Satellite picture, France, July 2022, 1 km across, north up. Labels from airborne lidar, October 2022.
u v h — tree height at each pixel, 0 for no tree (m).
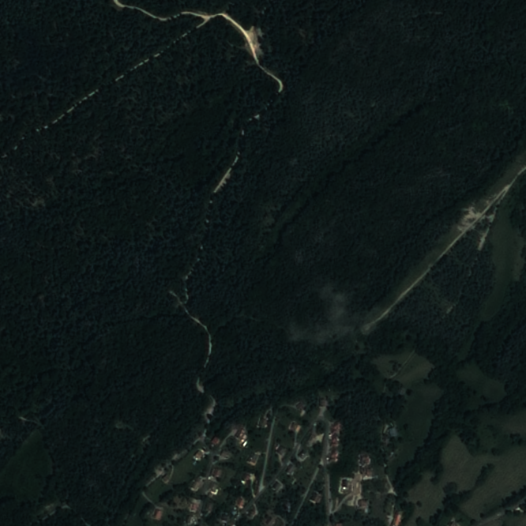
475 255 12
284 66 26
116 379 14
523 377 17
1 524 14
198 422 11
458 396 15
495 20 9
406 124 21
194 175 10
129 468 15
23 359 15
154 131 18
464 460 0
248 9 11
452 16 8
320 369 6
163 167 22
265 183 19
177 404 16
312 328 10
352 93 16
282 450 0
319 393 8
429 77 16
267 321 17
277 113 11
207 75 10
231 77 19
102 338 15
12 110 21
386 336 20
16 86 19
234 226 14
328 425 0
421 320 12
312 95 14
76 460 12
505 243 0
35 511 15
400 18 7
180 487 8
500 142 13
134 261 36
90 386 21
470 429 8
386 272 12
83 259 21
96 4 15
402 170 16
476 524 11
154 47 19
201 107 5
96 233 20
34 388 21
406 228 13
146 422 9
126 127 14
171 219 25
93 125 16
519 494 19
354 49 11
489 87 7
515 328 9
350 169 12
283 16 13
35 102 26
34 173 20
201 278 29
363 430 14
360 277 8
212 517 14
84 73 22
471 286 18
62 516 15
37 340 7
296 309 9
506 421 0
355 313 14
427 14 10
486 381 0
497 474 0
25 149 19
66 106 7
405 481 15
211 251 23
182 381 11
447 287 13
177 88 24
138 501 9
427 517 0
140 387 20
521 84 18
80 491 12
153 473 6
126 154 17
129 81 11
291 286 10
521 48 11
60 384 22
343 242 10
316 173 14
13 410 24
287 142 7
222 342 10
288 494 9
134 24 17
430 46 11
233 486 7
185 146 9
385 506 8
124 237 16
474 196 10
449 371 21
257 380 18
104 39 14
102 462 18
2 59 20
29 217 18
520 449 0
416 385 0
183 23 10
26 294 21
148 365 21
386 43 6
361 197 16
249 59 20
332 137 10
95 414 14
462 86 15
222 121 7
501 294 0
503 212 0
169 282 28
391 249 10
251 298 8
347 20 25
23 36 14
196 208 19
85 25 15
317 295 13
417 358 0
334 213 10
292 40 21
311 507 9
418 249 13
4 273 20
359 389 12
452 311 10
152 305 22
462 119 13
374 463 0
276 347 11
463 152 8
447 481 0
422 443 0
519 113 14
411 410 0
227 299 32
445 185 13
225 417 13
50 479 18
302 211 16
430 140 13
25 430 17
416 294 13
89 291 17
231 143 12
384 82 10
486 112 11
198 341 12
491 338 12
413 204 7
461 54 17
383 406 17
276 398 23
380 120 13
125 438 12
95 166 21
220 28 11
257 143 13
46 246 18
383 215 7
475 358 19
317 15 25
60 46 12
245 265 21
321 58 10
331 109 6
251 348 25
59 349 27
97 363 13
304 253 15
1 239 22
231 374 25
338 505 0
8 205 22
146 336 13
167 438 9
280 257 10
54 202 10
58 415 30
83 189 17
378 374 12
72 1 24
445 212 12
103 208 17
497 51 19
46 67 20
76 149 11
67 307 25
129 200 19
